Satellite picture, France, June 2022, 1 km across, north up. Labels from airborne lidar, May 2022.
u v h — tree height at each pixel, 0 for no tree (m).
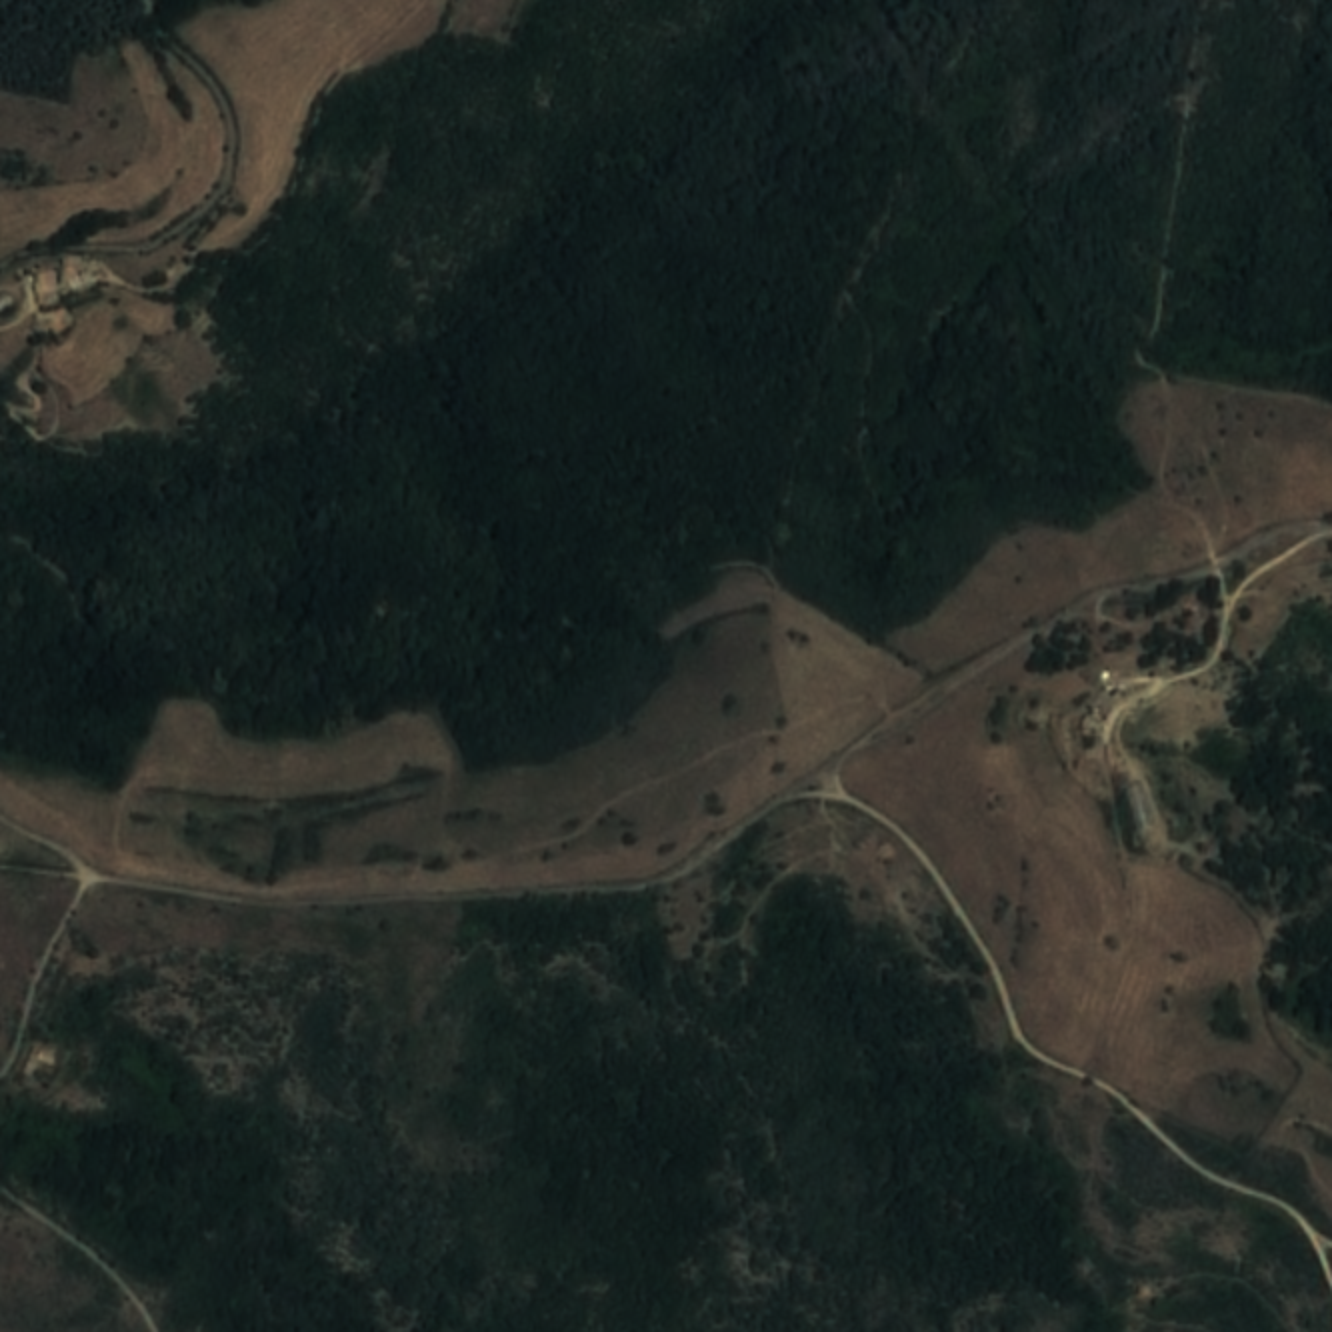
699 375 12
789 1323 8
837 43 8
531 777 0
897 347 9
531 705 6
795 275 12
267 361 12
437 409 18
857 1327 8
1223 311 10
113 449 10
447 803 0
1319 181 13
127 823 0
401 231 7
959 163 11
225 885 0
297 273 8
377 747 0
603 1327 5
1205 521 0
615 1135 11
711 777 0
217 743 0
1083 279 7
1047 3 7
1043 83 6
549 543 17
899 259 10
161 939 0
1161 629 9
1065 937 0
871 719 0
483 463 19
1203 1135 0
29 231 0
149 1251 6
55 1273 0
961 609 0
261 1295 7
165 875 0
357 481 14
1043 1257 12
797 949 11
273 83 0
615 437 15
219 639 13
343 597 15
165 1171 11
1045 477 8
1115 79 10
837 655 0
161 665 14
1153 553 0
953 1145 9
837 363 10
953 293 11
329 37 0
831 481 11
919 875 0
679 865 0
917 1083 10
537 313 15
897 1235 12
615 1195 10
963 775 0
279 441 12
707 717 0
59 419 0
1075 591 0
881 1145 12
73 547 17
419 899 0
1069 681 0
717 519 12
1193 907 0
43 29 13
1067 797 0
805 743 0
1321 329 6
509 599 17
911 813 0
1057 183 6
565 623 12
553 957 7
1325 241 13
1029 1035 0
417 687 9
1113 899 0
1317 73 15
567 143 10
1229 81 8
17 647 7
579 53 11
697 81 13
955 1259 8
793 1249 8
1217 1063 0
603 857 0
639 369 17
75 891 0
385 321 9
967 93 9
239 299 14
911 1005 11
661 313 14
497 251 7
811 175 8
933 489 11
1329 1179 0
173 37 7
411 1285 7
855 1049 10
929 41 10
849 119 11
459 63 10
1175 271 6
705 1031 8
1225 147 6
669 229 13
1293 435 0
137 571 15
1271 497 0
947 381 14
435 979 0
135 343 0
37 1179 9
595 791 0
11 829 0
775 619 0
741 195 9
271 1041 7
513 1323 11
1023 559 0
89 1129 8
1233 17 8
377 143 6
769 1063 6
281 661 9
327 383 9
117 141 0
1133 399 0
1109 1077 0
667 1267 9
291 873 0
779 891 6
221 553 12
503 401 17
